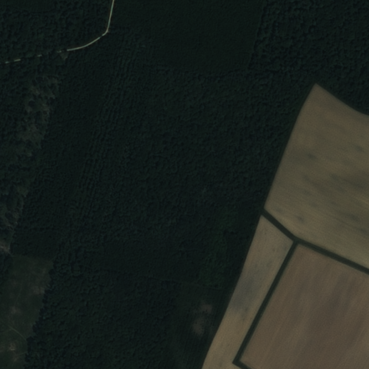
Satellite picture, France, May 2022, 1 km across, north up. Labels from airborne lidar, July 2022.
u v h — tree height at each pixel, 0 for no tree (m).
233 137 25
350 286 0
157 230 20
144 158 24
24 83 31
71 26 25
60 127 11
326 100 0
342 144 0
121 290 21
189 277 15
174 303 22
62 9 13
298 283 0
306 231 0
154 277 17
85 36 16
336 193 0
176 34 11
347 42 23
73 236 5
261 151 23
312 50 26
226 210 17
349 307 0
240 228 14
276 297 0
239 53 10
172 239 22
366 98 15
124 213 21
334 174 0
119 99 20
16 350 0
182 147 25
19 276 0
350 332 0
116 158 15
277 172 0
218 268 15
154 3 10
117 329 23
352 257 0
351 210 0
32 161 23
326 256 0
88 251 15
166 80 21
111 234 20
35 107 27
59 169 17
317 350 0
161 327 25
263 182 13
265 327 0
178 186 23
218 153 25
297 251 0
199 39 12
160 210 21
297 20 23
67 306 22
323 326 0
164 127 23
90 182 7
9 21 21
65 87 17
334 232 0
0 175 21
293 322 0
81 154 16
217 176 20
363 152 0
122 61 20
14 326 0
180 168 22
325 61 22
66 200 17
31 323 0
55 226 17
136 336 21
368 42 22
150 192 26
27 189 26
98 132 16
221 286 12
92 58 16
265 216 0
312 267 0
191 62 13
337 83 17
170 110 21
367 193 0
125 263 20
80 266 16
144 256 20
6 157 14
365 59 25
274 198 0
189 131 23
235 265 15
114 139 18
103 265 18
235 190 18
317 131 0
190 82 22
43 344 27
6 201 26
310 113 0
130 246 20
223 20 11
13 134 17
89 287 18
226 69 11
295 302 0
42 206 15
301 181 0
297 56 9
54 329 20
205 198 22
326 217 0
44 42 13
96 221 18
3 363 0
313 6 18
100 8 19
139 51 19
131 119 15
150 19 10
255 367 0
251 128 22
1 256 27
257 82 15
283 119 18
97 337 22
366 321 0
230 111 27
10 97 24
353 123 0
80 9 23
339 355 0
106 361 23
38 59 20
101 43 14
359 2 21
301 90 18
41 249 19
